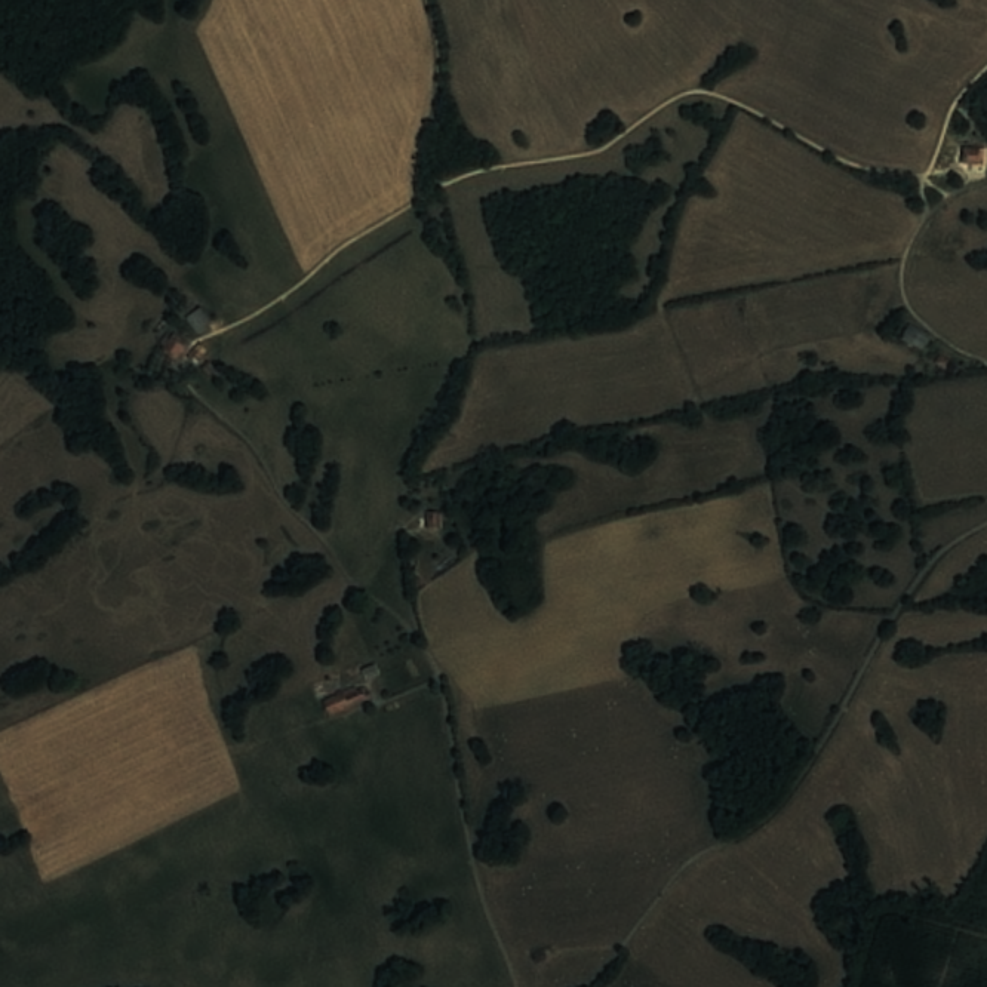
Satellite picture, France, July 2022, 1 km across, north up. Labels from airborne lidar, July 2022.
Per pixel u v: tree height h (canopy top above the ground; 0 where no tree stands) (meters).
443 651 0
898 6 0
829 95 0
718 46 0
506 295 0
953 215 0
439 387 0
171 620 0
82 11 19
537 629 0
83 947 0
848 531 13
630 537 0
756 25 0
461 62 0
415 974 17
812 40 0
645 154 11
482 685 0
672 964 0
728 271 0
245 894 20
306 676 0
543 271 9
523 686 0
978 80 6
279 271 0
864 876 19
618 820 0
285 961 0
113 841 0
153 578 0
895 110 0
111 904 0
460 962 0
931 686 0
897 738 12
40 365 22
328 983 0
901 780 0
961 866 0
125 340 0
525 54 0
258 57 0
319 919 0
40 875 0
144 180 0
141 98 17
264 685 18
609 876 0
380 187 0
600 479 0
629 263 12
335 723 0
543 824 0
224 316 0
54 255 15
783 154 0
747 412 8
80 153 16
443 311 0
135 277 19
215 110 0
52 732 0
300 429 15
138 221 17
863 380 11
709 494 7
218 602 0
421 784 0
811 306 0
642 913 0
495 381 0
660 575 0
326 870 0
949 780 0
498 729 0
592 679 0
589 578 0
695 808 0
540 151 0
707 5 0
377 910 0
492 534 20
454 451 0
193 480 20
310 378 0
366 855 0
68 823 0
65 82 9
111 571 0
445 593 0
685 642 0
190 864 0
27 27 20
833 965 0
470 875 0
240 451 0
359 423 0
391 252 0
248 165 0
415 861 0
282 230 0
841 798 0
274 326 0
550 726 0
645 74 0
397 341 0
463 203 0
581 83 0
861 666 0
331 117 0
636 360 0
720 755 17
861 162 0
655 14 0
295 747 0
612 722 0
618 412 0
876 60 0
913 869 0
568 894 0
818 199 0
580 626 0
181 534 0
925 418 0
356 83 0
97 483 0
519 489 12
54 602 0
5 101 0
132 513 0
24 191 25
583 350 0
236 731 15
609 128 11
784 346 0
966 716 0
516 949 0
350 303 0
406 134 0
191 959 0
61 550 9
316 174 0
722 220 0
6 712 0
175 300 13
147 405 0
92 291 15
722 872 0
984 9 0
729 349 0
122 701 0
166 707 0
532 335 7
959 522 0
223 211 0
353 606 18
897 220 0
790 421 13
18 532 0
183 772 0
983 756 0
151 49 0
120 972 0
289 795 0
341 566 0
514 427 0
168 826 0
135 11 15
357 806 0
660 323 0
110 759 0
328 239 0
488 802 0
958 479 0
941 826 0
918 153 0
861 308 0
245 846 0
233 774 0
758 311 0
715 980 0
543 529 0
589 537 0
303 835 0
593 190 10
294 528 0
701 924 0
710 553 0
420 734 0
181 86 13
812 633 0
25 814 0
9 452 0
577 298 14
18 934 0
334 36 0
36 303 18
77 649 0
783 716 23
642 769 0
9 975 0
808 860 0
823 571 11
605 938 0
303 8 0
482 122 0
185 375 12
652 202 13
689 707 18
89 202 0
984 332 0
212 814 0
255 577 0
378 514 0
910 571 0
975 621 0
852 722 0
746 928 0
